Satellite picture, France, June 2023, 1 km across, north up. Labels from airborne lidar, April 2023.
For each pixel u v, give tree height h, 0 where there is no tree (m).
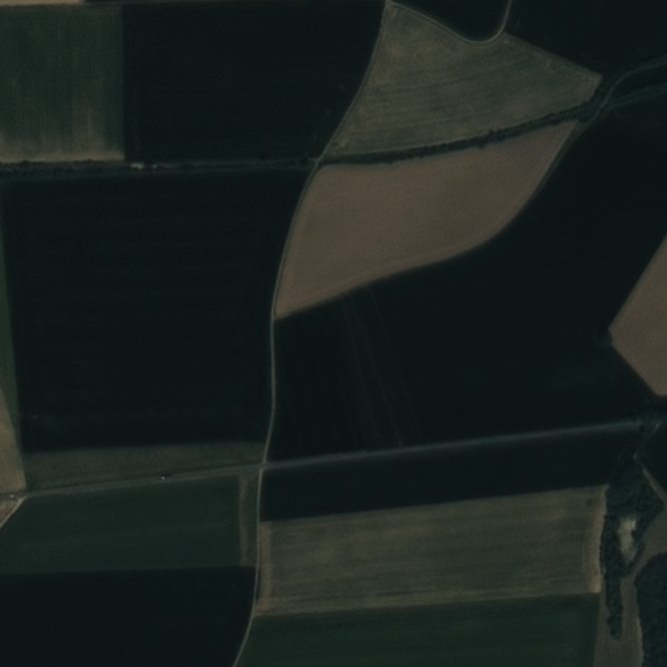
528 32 0
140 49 0
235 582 0
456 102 0
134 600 0
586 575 0
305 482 0
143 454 0
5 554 0
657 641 18
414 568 0
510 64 0
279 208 0
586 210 0
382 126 0
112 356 0
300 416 0
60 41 0
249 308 0
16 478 0
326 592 0
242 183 0
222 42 0
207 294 0
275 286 0
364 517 0
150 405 0
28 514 0
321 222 0
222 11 0
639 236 0
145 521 0
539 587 0
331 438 0
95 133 0
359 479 0
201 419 0
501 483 0
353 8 0
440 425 0
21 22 0
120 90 0
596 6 0
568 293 0
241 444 0
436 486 0
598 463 0
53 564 0
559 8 0
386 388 0
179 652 0
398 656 0
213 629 0
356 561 0
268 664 0
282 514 0
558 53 0
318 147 0
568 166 0
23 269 0
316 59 0
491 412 0
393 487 0
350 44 0
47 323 0
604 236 0
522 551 0
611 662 0
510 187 0
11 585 0
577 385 0
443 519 0
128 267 0
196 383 0
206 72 0
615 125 0
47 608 0
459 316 0
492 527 0
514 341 0
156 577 0
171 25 0
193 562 0
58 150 0
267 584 0
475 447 0
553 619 0
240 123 0
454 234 0
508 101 0
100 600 0
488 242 0
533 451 0
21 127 0
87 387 0
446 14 0
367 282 0
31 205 0
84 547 0
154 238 0
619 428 0
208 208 0
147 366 0
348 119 0
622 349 0
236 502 0
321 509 0
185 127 0
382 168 0
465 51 0
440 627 0
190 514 0
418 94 0
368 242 0
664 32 0
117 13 0
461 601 0
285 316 0
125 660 0
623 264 0
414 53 0
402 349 0
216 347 0
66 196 0
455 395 0
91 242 0
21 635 0
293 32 0
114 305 0
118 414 0
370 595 0
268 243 0
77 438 0
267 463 0
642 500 11
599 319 0
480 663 0
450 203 0
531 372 0
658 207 0
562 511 0
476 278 0
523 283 0
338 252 0
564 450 0
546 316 0
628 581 0
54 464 0
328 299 0
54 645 0
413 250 0
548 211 0
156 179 0
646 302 0
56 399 0
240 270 0
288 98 0
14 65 0
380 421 0
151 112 0
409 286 0
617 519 14
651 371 0
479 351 0
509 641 0
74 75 0
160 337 0
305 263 0
